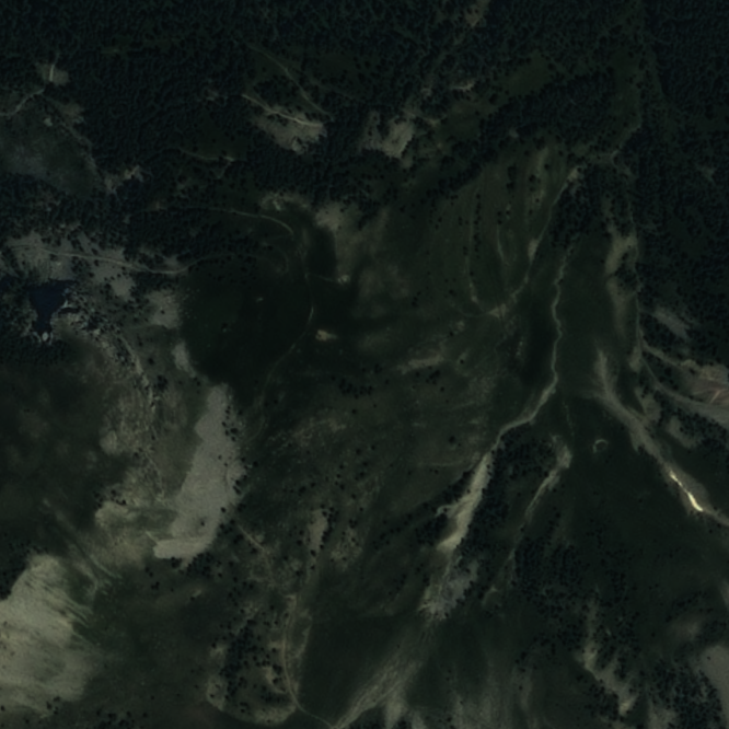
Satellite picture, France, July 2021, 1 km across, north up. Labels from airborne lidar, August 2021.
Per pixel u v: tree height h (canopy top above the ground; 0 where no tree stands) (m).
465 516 0
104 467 0
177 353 0
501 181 0
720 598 0
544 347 0
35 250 0
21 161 0
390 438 0
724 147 6
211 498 0
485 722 0
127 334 0
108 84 18
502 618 0
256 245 8
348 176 9
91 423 0
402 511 0
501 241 0
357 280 0
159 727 0
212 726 0
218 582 0
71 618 0
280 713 0
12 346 7
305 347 0
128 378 0
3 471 0
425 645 0
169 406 0
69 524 0
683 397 0
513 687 0
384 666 0
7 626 0
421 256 0
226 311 0
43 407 0
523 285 0
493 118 11
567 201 12
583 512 0
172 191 9
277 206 0
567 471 0
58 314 0
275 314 0
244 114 16
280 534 0
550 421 0
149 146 15
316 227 0
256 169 13
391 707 0
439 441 0
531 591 8
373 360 0
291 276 0
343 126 18
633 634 8
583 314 0
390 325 0
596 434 0
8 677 0
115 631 0
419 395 0
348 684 0
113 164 14
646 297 9
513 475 7
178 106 14
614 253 0
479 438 0
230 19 24
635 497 0
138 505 0
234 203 0
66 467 0
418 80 11
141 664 0
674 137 7
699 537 0
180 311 0
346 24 22
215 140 8
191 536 0
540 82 0
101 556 0
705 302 9
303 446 0
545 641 7
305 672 0
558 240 10
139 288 7
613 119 9
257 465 9
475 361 0
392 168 14
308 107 0
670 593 0
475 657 0
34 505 0
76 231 9
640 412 0
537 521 0
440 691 0
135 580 0
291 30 23
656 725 0
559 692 0
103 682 0
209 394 0
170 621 0
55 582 0
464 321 0
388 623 0
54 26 27
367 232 0
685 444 0
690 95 24
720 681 0
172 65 12
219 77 17
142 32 15
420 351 0
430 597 0
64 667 0
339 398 0
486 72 8
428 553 0
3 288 7
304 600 0
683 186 12
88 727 0
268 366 0
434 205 8
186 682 0
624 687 0
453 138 9
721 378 0
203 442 0
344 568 0
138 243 13
